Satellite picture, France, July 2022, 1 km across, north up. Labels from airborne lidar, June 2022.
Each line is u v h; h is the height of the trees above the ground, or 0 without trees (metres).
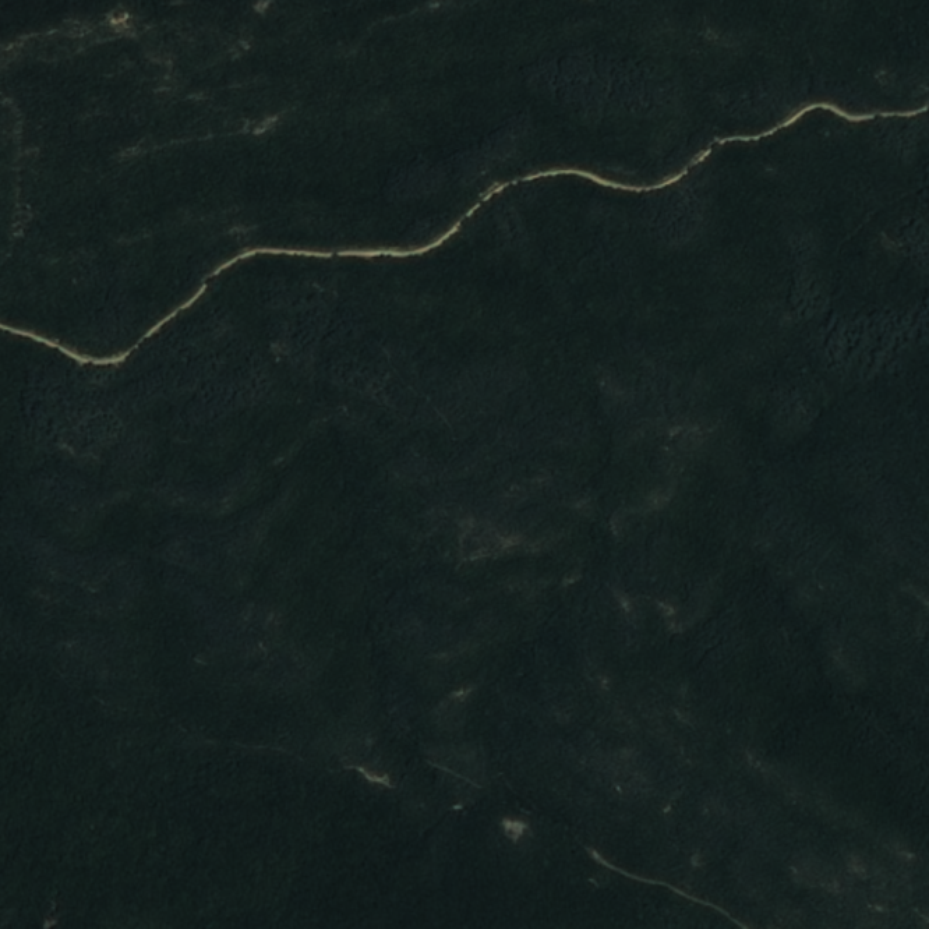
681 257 5
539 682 6
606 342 7
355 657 8
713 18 7
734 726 7
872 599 6
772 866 7
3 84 8
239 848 14
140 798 9
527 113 12
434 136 8
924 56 8
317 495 8
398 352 7
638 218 6
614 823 6
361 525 7
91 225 10
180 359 8
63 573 6
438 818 6
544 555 6
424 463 7
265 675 6
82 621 6
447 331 5
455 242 6
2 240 6
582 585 6
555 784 6
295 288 6
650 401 9
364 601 10
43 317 8
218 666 7
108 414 10
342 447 8
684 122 8
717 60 5
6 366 10
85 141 8
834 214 9
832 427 8
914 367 8
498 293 10
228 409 13
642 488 5
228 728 6
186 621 7
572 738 7
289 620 8
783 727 7
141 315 8
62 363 9
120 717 8
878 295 8
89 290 6
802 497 7
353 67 8
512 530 7
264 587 8
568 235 6
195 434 6
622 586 6
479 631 6
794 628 6
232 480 9
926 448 6
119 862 11
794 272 14
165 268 6
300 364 8
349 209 8
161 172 10
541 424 11
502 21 7
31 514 7
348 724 8
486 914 9
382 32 8
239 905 7
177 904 10
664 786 8
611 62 13
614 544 6
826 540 7
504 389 8
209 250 8
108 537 7
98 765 6
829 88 14
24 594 8
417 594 6
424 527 7
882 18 9
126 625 7
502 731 6
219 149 9
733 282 9
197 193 9
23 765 11
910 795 6
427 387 9
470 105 7
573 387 7
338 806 10
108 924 8
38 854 9
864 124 7
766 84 14
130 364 8
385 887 8
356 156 11
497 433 9
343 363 7
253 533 8
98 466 6
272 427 8
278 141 8
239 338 7
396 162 6
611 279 6
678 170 9
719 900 8
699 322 6
